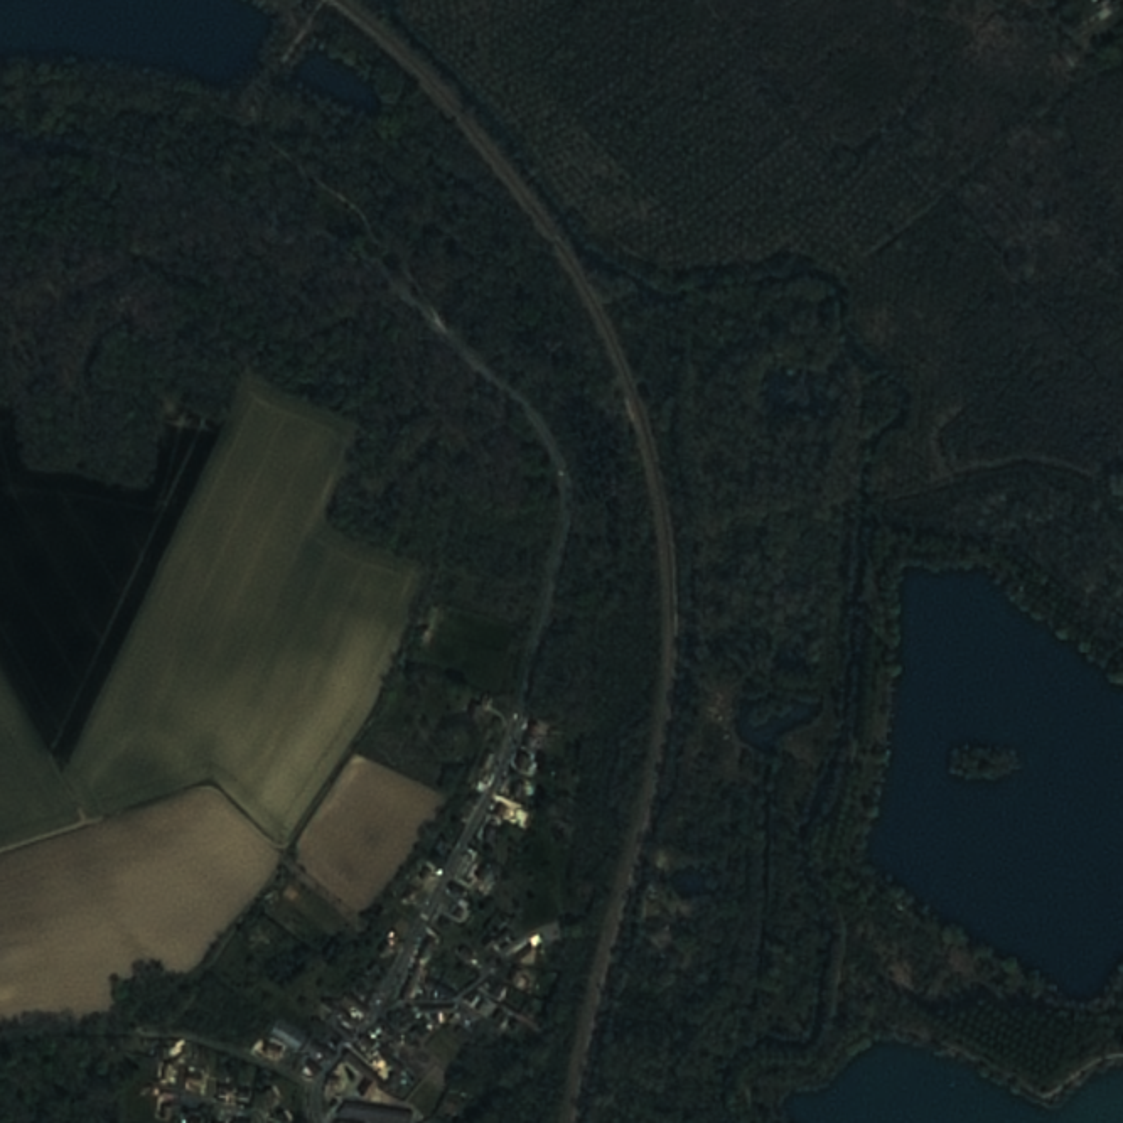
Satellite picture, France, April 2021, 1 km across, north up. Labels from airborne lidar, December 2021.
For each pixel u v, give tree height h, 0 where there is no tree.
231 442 0
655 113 19
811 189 22
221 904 0
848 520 7
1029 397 11
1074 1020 23
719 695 0
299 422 0
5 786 0
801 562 7
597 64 10
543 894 0
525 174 13
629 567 17
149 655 0
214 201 24
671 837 15
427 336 17
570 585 22
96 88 28
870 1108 0
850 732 13
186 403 18
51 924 0
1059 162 6
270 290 21
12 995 0
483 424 16
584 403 28
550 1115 26
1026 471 9
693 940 20
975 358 11
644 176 13
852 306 11
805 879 8
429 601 12
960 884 0
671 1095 17
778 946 18
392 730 0
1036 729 0
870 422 32
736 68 16
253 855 0
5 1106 31
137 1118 0
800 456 6
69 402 17
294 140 20
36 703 0
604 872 10
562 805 15
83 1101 27
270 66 14
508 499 23
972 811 0
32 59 10
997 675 0
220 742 0
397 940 0
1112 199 6
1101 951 0
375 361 19
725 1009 16
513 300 26
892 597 20
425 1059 0
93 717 0
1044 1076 24
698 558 28
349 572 0
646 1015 16
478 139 0
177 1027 12
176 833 0
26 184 30
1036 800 0
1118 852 0
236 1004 11
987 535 8
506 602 6
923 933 7
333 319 27
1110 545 18
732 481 32
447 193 23
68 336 22
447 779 13
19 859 0
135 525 0
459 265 27
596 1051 11
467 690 23
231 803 0
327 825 0
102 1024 14
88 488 0
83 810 0
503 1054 10
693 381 35
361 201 23
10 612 0
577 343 27
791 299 19
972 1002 9
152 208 25
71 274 19
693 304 14
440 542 20
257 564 0
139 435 23
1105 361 9
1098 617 14
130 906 0
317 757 0
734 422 31
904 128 15
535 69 13
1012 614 0
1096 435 8
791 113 8
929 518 13
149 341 24
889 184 16
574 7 7
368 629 0
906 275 10
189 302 23
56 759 0
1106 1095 0
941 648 0
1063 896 0
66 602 0
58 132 20
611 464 27
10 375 25
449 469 17
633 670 18
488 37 21
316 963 16
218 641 0
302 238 30
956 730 0
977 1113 0
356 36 17
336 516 14
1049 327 9
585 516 15
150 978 15
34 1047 27
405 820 0
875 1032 15
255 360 24
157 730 0
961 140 6
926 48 11
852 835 14
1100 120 9
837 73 7
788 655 7
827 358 37
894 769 0
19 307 26
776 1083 10
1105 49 17
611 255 11
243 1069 8
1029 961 0
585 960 12
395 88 24
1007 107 8
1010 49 7
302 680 0
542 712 18
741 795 8
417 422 21
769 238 22
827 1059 21
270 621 0
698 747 34
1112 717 0
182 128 24
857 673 18
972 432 10
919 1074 0
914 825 0
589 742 14
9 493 0
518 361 19
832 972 17
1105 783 0
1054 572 14
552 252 16
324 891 0
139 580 0
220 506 0
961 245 21
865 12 8
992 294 7
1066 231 19
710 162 18
